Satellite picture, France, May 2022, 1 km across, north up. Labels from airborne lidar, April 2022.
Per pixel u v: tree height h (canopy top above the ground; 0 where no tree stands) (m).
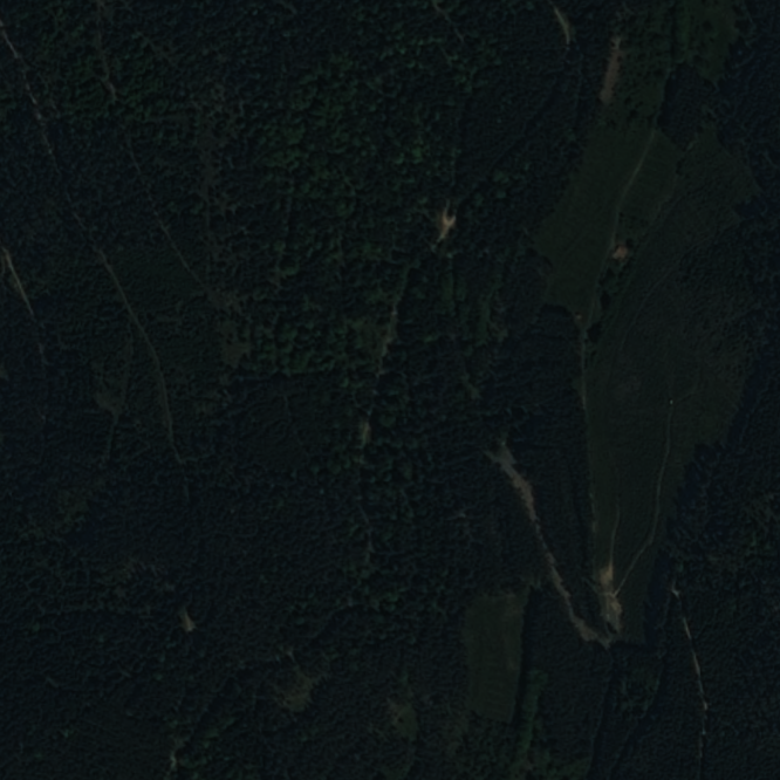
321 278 22
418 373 17
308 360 12
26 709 22
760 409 23
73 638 15
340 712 29
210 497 23
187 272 9
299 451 16
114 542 29
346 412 18
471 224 14
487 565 26
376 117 25
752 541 17
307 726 23
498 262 28
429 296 28
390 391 22
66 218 30
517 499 34
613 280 19
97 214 11
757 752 10
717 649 15
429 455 20
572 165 20
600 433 0
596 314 0
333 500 29
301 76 25
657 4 19
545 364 35
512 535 30
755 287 10
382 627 23
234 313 8
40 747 20
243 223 15
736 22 0
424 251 22
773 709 32
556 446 30
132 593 13
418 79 10
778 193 30
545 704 32
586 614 28
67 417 22
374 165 20
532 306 29
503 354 30
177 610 24
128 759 18
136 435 11
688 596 15
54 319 27
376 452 16
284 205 16
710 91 26
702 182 0
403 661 28
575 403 35
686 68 27
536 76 25
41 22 17
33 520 31
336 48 21
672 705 24
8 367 26
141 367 9
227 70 12
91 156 31
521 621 0
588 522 28
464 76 21
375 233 24
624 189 0
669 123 28
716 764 9
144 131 11
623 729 21
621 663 17
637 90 6
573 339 28
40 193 33
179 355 9
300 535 29
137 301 10
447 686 29
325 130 26
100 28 11
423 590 27
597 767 18
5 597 13
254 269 12
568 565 32
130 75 9
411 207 23
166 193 16
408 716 0
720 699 15
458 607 21
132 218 27
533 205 26
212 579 29
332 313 17
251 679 24
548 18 25
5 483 28
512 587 26
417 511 19
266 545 31
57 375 19
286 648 17
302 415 18
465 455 35
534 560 30
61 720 23
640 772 19
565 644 31
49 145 33
